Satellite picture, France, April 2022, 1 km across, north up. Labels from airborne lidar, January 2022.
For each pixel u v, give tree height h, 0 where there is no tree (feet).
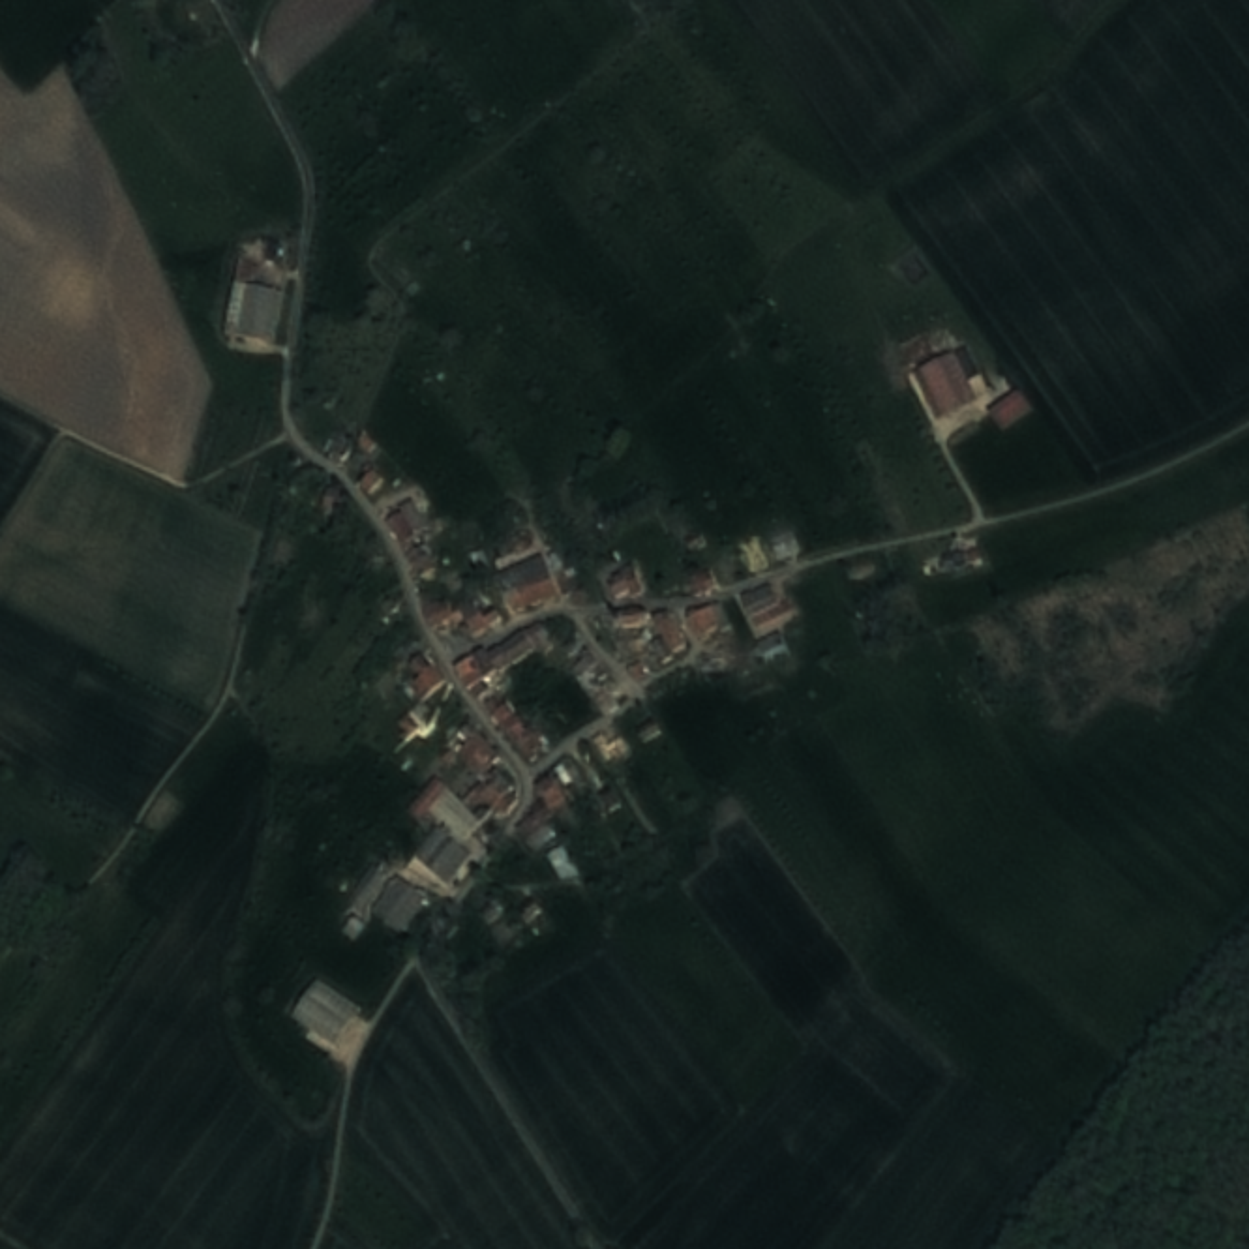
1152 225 0
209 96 0
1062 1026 0
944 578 0
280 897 0
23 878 66
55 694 0
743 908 0
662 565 0
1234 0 0
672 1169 0
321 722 0
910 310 0
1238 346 0
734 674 0
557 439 0
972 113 0
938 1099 0
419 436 0
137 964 0
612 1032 0
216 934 0
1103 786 0
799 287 0
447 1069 0
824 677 0
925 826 0
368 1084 0
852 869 0
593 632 0
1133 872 0
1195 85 0
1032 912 0
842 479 0
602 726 0
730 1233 0
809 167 0
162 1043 0
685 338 0
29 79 0
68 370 0
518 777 0
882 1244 0
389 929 0
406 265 0
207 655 0
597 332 18
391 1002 0
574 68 0
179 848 0
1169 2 0
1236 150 0
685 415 0
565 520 18
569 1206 0
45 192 0
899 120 0
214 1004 0
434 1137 0
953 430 0
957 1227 0
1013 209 0
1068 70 0
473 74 0
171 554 0
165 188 0
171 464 0
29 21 0
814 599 0
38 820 0
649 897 31
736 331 0
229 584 0
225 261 0
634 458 0
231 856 0
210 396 0
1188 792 0
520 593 0
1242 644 0
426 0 0
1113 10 0
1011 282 0
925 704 0
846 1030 0
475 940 0
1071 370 0
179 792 0
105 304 0
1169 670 0
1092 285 0
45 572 0
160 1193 0
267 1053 0
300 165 0
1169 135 0
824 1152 0
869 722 0
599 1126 0
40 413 0
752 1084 0
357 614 0
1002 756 0
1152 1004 0
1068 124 0
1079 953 0
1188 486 0
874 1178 0
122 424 0
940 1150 0
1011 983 0
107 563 0
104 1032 0
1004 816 0
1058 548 0
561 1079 0
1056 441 0
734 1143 0
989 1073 0
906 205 0
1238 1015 84
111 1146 0
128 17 0
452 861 0
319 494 26
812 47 0
